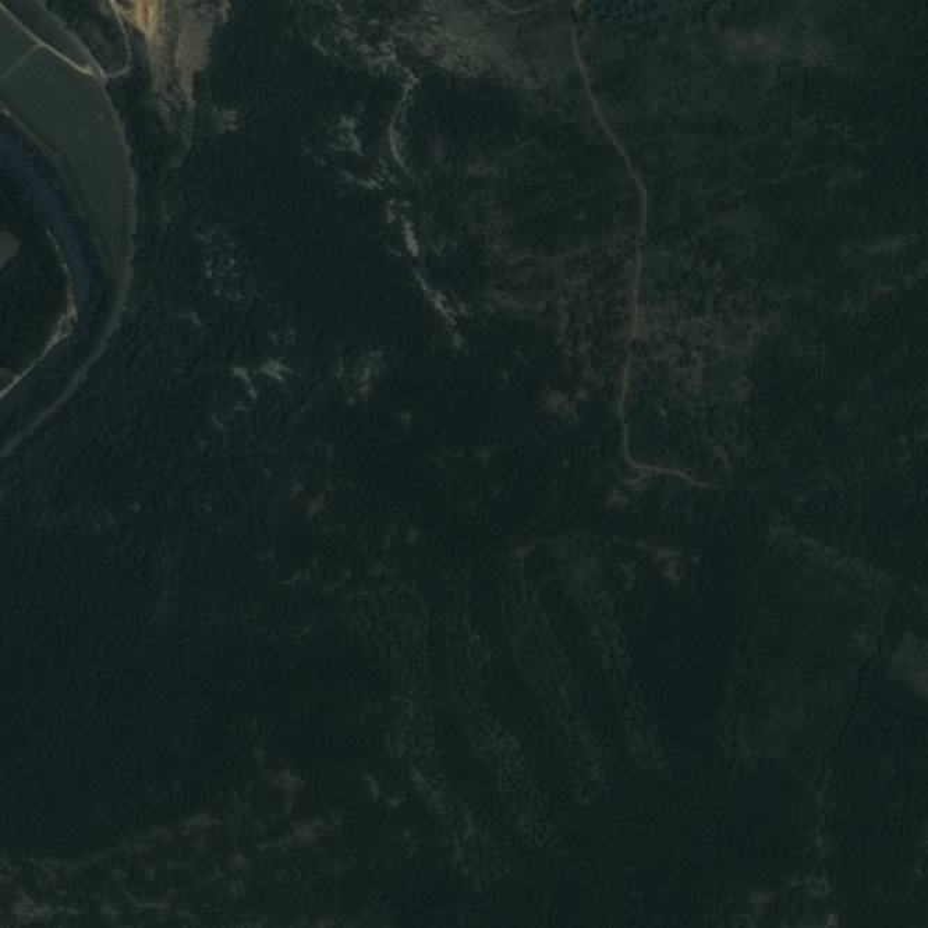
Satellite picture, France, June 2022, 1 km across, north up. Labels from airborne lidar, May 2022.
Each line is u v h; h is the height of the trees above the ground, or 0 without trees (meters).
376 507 10
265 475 6
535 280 6
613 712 13
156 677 10
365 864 9
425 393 10
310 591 9
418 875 9
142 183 7
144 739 8
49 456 8
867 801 10
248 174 13
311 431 9
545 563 9
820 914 8
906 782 10
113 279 27
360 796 9
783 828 10
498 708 10
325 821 8
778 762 9
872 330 10
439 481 10
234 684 10
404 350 8
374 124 9
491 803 11
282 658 11
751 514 11
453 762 10
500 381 7
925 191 11
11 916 6
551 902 11
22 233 11
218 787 8
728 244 8
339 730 7
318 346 9
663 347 9
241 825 6
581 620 12
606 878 12
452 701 8
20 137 12
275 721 10
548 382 10
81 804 8
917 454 9
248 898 8
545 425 10
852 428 8
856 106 8
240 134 8
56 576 10
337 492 8
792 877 9
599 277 8
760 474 9
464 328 11
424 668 8
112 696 9
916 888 10
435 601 10
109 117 0
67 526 7
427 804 9
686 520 10
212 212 10
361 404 6
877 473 8
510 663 10
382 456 15
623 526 13
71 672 10
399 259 7
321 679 11
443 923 9
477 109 10
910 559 13
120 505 9
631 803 13
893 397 6
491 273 7
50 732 13
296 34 8
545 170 7
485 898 10
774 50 0
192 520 12
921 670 0
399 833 9
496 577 12
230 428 8
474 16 0
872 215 7
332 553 10
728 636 14
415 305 12
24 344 20
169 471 7
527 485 9
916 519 14
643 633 14
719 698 16
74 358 18
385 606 10
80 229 23
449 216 7
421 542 8
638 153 7
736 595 13
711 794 12
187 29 0
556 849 11
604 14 12
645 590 12
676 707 14
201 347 7
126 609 11
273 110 9
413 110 8
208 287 8
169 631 9
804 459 8
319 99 11
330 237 13
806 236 8
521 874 12
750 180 8
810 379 10
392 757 7
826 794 7
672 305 0
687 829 12
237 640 9
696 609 11
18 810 8
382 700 6
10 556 8
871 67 5
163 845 8
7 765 8
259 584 8
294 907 8
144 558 6
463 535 10
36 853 6
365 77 13
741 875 11
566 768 13
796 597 7
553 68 0
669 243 7
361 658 12
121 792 7
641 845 13
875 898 9
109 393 7
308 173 9
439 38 0
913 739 10
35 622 14
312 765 10
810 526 15
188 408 9
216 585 10
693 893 12
